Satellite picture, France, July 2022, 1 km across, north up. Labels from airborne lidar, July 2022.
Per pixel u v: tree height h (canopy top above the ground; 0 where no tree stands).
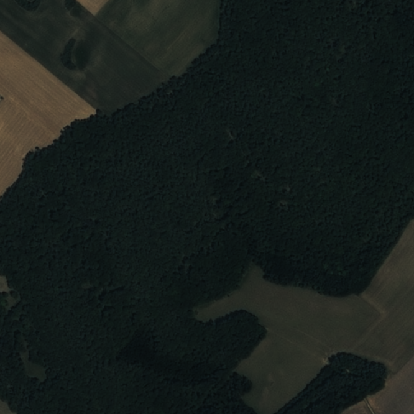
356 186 18
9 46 0
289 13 23
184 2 0
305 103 23
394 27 25
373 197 17
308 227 17
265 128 18
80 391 20
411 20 30
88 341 22
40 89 0
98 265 21
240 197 18
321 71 20
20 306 14
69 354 20
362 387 26
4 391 21
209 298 24
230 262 28
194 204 15
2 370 19
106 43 0
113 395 18
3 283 0
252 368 0
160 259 20
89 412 21
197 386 24
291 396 0
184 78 16
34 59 0
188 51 0
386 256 15
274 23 23
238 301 0
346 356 22
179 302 29
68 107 0
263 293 0
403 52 22
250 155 23
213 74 19
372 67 24
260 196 22
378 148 22
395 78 26
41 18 0
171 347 22
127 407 20
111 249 19
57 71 0
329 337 0
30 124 0
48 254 20
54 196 24
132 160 14
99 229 23
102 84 0
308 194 12
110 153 19
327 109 21
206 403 18
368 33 22
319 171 14
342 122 18
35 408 20
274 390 0
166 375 12
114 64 0
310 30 20
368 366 19
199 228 20
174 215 18
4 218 22
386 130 17
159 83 0
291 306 0
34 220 22
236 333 25
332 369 14
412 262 0
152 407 28
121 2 0
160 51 0
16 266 21
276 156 19
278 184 18
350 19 17
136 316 22
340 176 17
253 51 19
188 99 19
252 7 23
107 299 28
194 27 0
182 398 24
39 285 21
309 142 18
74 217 20
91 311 18
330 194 19
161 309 22
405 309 0
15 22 0
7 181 0
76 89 0
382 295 0
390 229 15
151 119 21
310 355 0
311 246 22
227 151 21
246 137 25
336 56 18
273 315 0
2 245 17
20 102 0
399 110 24
